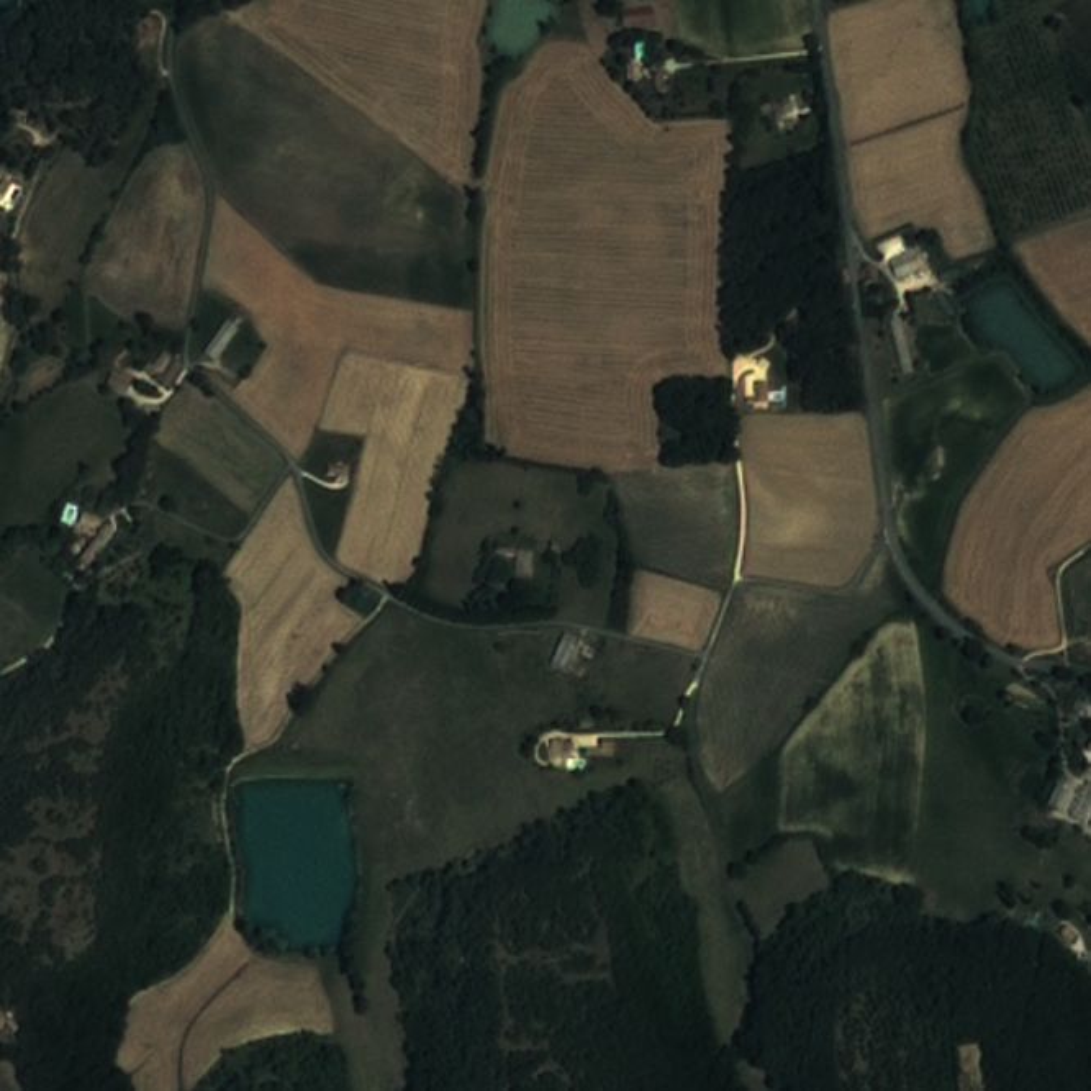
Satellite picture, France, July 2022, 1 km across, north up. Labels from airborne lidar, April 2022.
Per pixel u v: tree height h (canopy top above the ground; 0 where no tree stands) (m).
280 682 0
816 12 0
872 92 0
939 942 13
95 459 0
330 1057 12
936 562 0
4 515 0
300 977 0
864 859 0
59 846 6
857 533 0
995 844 0
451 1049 8
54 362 0
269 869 0
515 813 0
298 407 0
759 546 0
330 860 0
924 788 0
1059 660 0
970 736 0
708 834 0
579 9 0
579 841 14
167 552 9
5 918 6
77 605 19
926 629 0
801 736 0
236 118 0
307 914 0
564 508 0
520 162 0
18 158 15
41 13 23
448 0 0
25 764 9
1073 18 0
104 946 10
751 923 10
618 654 0
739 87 10
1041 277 0
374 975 0
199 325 6
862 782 0
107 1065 18
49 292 0
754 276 18
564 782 0
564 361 0
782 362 0
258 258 0
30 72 28
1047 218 0
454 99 0
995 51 0
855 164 0
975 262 0
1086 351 8
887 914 8
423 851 0
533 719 0
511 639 0
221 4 19
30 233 0
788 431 0
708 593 0
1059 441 0
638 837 9
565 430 0
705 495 0
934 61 0
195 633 11
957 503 0
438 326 0
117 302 0
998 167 0
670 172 0
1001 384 0
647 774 0
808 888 0
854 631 0
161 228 0
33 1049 14
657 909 9
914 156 0
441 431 0
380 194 0
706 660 0
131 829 11
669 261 0
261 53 0
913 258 0
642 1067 11
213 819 0
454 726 0
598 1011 8
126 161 0
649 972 6
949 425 0
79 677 10
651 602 0
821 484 0
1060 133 0
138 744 9
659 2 0
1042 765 0
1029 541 0
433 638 0
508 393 0
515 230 0
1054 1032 12
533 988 9
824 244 24
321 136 0
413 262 0
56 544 14
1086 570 0
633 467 0
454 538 0
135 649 8
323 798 0
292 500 0
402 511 0
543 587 0
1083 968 15
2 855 9
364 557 0
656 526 0
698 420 20
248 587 0
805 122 11
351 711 0
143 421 14
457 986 11
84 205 0
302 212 0
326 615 0
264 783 0
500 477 0
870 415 0
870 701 0
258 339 0
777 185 17
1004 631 0
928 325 0
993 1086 11
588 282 0
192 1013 0
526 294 0
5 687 8
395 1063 0
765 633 0
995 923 17
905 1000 10
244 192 0
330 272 0
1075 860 0
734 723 0
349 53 0
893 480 0
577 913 9
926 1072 11
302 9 0
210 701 10
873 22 0
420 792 0
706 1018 13
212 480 0
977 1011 10
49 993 19
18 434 0
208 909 6
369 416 0
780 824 0
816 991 12
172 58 0
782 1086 19
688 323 0
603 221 0
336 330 0
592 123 0
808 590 0
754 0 0
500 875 12
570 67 0
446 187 0
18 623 0
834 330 20
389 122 0
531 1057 8
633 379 0
